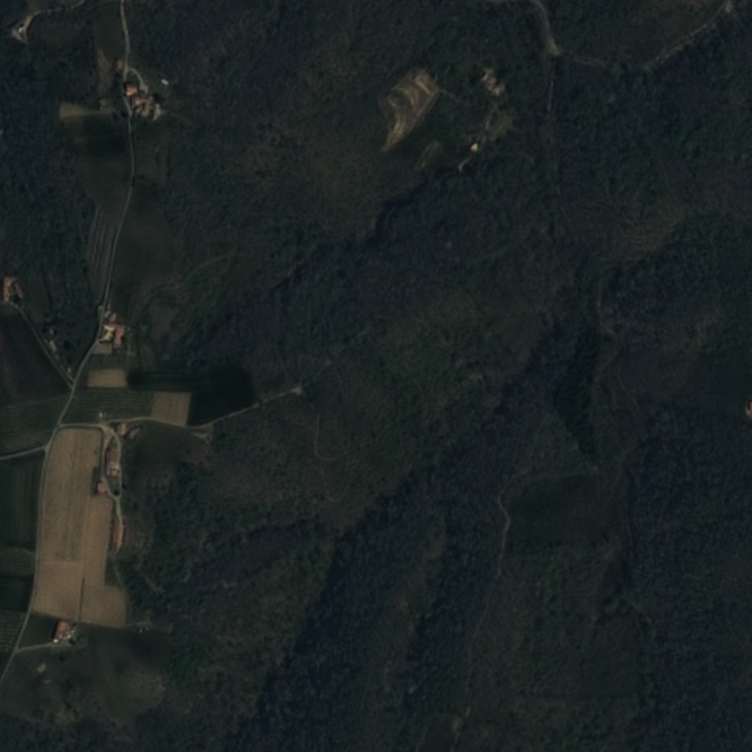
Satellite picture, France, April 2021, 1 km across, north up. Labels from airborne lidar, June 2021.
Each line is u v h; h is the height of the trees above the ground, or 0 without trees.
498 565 8
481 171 19
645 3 12
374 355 18
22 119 14
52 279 9
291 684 23
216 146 10
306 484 10
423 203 19
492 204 22
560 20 18
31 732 24
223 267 0
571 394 28
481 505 18
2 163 14
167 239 0
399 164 7
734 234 15
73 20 7
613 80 28
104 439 0
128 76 0
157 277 0
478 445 19
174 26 17
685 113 16
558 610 11
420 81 0
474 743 16
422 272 18
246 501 6
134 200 0
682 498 12
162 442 0
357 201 14
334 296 23
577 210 10
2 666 0
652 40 12
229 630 14
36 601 0
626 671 13
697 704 12
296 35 20
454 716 9
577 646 21
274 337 9
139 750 12
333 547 22
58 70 9
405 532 17
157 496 7
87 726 8
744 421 7
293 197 13
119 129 0
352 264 21
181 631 9
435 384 12
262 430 10
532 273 19
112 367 0
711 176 18
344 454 7
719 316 7
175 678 8
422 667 15
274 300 9
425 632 22
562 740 25
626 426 24
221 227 12
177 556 8
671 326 16
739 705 23
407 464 8
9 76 10
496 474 14
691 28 10
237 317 16
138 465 0
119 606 0
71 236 12
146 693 0
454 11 18
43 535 0
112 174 0
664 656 19
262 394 0
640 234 8
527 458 15
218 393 0
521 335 6
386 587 11
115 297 0
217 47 14
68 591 0
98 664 0
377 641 18
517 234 26
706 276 18
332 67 6
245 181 13
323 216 16
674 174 18
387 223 26
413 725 21
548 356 18
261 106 13
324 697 22
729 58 8
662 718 19
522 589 17
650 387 10
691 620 12
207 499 9
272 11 24
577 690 12
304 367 6
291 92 12
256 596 18
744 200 21
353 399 9
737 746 14
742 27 8
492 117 12
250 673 20
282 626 26
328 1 11
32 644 0
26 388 0
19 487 0
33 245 14
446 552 19
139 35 9
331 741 21
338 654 19
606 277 17
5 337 0
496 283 17
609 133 25
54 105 9
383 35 10
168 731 18
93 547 0
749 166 12
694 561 18
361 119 13
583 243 20
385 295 18
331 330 11
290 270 18
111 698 0
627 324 22
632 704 21
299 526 7
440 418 15
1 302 0
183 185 9
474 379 16
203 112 7
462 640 15
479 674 12
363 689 13
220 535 14
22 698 0
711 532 23
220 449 10
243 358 11
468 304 20
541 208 24
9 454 0
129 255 0
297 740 20
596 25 13
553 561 18
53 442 0
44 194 15
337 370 8
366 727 15
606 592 9
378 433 7
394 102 0
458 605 22
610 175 17
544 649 9
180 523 13
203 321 11
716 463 14
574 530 6
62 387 0
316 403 9
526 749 23
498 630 20
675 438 14
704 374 6
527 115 23
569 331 24
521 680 7
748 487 16
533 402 24
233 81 13
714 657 9
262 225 14
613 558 6
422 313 17
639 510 11
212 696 18
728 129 16
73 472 0
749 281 10
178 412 0
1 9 11
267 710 22
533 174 18
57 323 9
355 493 6
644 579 17
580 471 20
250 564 10
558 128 15
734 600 20
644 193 9
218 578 14
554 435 19
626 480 8
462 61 20
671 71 27
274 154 10
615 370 8
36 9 0
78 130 0
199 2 21
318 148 9
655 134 19
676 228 9
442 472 17
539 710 21
